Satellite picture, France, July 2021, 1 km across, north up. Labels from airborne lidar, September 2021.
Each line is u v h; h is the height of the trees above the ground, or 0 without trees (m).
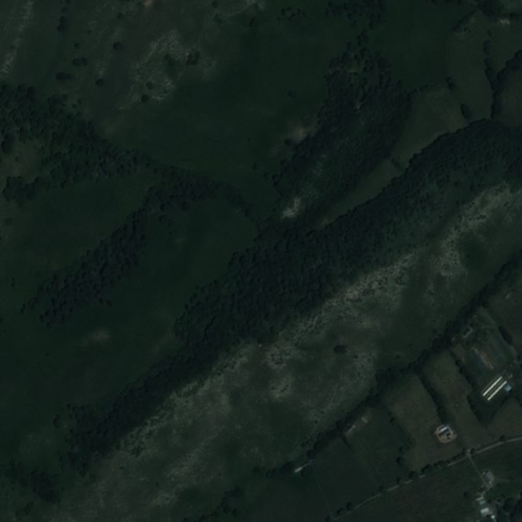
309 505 0
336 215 0
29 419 0
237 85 0
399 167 8
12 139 19
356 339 0
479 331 8
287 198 7
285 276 14
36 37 0
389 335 0
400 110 15
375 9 18
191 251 0
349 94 28
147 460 0
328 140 18
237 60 0
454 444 0
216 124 0
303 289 7
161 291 0
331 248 10
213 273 0
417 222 6
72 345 0
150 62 0
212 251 0
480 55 0
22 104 14
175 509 0
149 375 9
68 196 0
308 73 0
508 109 0
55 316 16
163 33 0
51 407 0
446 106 0
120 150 13
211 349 17
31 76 0
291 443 0
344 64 22
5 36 0
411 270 0
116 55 0
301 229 18
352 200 0
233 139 0
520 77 0
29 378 0
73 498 0
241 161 0
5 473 13
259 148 0
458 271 0
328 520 12
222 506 13
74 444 8
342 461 0
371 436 0
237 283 9
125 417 21
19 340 0
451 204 0
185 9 0
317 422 8
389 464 0
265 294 16
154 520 0
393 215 11
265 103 0
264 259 9
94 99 0
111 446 15
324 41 0
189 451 0
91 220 0
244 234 0
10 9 0
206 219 0
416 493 0
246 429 0
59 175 16
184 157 0
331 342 0
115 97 0
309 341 0
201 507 0
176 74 0
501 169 0
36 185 17
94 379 0
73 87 0
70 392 0
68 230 0
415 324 0
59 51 0
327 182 6
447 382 0
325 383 0
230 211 0
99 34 0
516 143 15
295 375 0
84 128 15
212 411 0
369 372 0
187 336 11
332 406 0
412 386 0
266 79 0
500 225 0
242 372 0
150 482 0
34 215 0
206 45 0
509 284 6
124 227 10
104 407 9
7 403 0
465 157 12
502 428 0
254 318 13
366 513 0
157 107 0
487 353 0
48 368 0
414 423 0
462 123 0
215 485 0
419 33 0
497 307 0
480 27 0
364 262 8
